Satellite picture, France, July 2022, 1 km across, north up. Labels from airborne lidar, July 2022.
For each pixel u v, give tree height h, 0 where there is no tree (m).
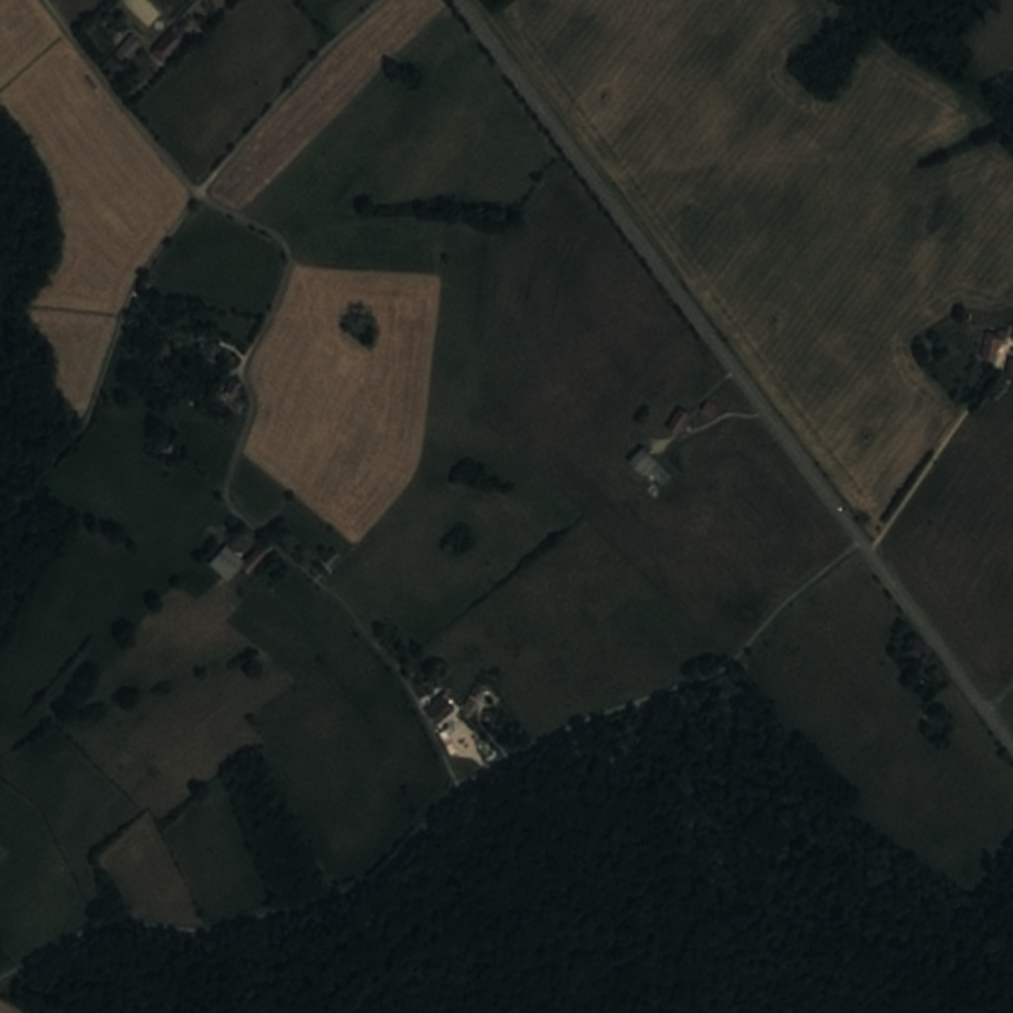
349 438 0
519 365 0
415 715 6
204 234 0
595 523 0
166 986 29
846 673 0
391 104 0
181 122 0
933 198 0
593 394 0
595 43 0
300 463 0
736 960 26
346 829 0
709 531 0
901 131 0
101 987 23
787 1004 21
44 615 0
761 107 0
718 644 0
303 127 0
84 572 0
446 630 0
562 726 0
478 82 0
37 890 0
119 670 0
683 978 24
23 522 19
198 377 11
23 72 0
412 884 23
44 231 28
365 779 0
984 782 0
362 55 0
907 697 0
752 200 0
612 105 0
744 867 10
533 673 0
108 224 0
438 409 0
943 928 22
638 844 22
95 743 0
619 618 0
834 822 19
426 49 0
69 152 0
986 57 0
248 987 24
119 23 10
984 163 0
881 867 19
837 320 0
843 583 0
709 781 25
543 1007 24
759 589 0
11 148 24
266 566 12
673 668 0
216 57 0
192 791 14
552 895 23
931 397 0
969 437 0
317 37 0
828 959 18
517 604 0
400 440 0
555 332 0
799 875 14
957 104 0
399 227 0
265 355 0
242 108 0
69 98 0
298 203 0
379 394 0
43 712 0
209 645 0
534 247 0
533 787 26
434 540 0
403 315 0
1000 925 28
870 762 0
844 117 0
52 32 0
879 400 0
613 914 18
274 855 17
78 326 0
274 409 0
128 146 0
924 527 0
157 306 11
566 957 25
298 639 0
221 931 17
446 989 22
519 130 0
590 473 0
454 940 24
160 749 0
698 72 0
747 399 0
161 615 0
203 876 0
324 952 18
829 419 0
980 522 0
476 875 19
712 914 23
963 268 0
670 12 0
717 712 26
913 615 0
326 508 0
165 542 0
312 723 0
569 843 25
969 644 0
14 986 11
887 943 14
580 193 0
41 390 11
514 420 0
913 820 0
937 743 12
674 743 23
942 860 0
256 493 0
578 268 0
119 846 0
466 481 6
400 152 0
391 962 23
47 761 0
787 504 0
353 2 0
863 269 0
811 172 0
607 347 0
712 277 0
